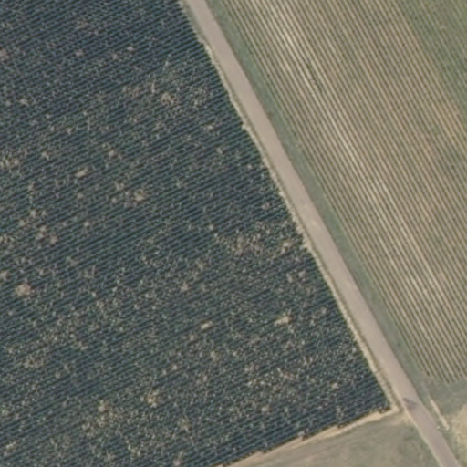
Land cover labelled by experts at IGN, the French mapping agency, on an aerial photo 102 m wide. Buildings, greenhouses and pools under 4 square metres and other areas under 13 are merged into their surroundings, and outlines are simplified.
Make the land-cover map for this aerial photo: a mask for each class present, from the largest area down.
<instances>
[{"label":"vineyard","instance_id":"1","mask_svg":"<svg viewBox=\"0 0 467 467\"><path fill-rule=\"evenodd\" d=\"M206 38L202 35L197 22L193 20L190 5L184 0H0V467H239L237 460L246 458L254 452L272 451L275 447L285 445L296 438H310L330 427H343L359 418H365L370 412L389 410L390 407L401 409L405 405L401 400L400 390L390 383L383 363L379 361L378 354L374 352L365 332L361 330L358 317L354 316L347 297L343 296L341 288L337 286L336 277L321 254L316 239L308 232L305 219L281 177V171L277 170L270 153L265 151L263 139L255 130L254 122L246 113L239 95L235 93L230 78L223 67L217 71L221 62L215 57L212 46L204 49L202 46ZM213 20L221 29L226 44L232 49L233 57L243 69L244 77L254 89L255 97L270 120L275 135L281 142V148L296 171L299 181L303 182L330 239L336 244L337 252L347 266L352 281L358 286L363 301L367 303L379 332L385 337L403 374L407 376L418 400L427 410L431 409L432 396L429 389L432 378H438V381L443 383H451L454 379L467 376V0H204Z\"/></svg>","mask_w":467,"mask_h":467},{"label":"pervious surface","instance_id":"2","mask_svg":"<svg viewBox=\"0 0 467 467\"><path fill-rule=\"evenodd\" d=\"M190 5L193 20L197 22L202 35L206 38L202 46L204 49L212 46L215 57L221 62L217 71L223 67L230 78L235 93L239 95L246 113L254 122L255 130L263 139L265 151L270 153L277 170L281 171V177L305 219L308 232L316 239L321 254L336 277L337 286L341 288L343 296L347 297L354 316L358 317L361 330L365 332L374 352L378 354L379 361L383 363L390 383L400 390L401 400L405 405L418 425L421 438L429 445L432 458L438 467H460L454 462L449 445L441 438L436 423L432 421L427 410L418 400L407 376L403 374L385 337L379 332L367 303L363 301L358 286L352 281L347 266L337 252L336 244L330 239L303 182L299 181L296 171L281 148V142L275 135L270 120L255 97L254 89L244 77L243 69L233 57L232 49L226 44L221 29L213 20L204 0H184Z\"/></svg>","mask_w":467,"mask_h":467},{"label":"agricultural land","instance_id":"3","mask_svg":"<svg viewBox=\"0 0 467 467\"><path fill-rule=\"evenodd\" d=\"M239 467H438L432 458L429 445L421 438L418 425L405 405L401 409L390 407L389 410L370 412L365 418H359L343 427H330L310 438H296L285 445L275 447L272 451L254 452L246 458L237 460ZM452 434L456 441L460 445H465L467 449V405L456 414H452Z\"/></svg>","mask_w":467,"mask_h":467},{"label":"herbaceous vegetation","instance_id":"4","mask_svg":"<svg viewBox=\"0 0 467 467\"><path fill-rule=\"evenodd\" d=\"M432 396L431 409L427 410L432 421L436 423L441 438L449 445L454 462L460 467H467V449L465 445H460L456 441L452 434V414H456L467 405V376L454 379L451 383H443L438 381V378H432L429 389Z\"/></svg>","mask_w":467,"mask_h":467}]
</instances>
